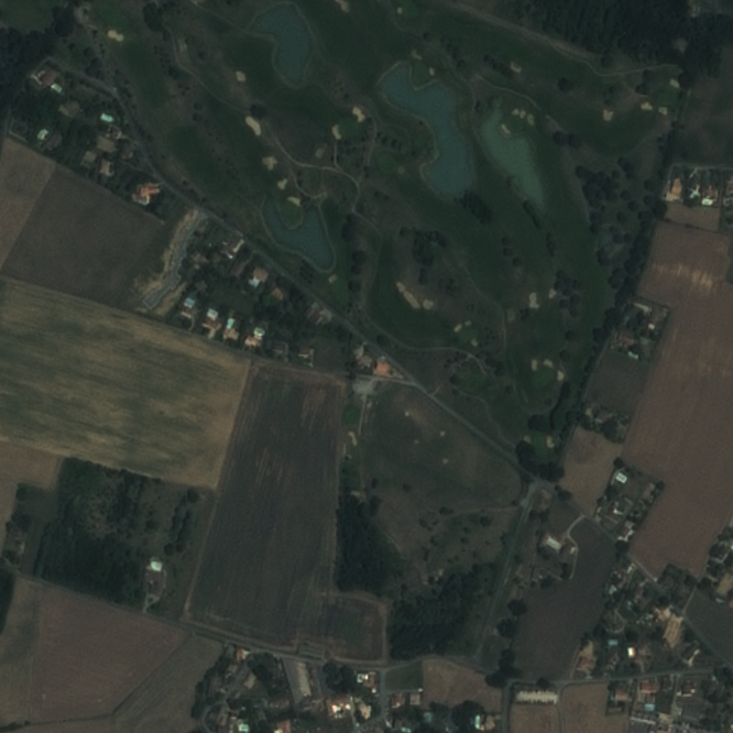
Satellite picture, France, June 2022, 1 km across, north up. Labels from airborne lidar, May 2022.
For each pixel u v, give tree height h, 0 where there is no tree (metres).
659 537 0
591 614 0
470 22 0
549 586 9
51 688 0
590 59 0
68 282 0
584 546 0
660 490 9
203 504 0
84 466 6
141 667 0
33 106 11
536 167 0
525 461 17
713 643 0
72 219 0
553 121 0
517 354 0
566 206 0
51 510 0
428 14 0
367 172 7
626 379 0
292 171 0
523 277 0
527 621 0
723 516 0
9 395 0
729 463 0
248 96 0
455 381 10
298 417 0
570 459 0
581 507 0
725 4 0
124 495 11
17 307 0
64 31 17
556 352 0
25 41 20
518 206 0
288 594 0
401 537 0
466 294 0
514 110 0
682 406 0
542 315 0
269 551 0
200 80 0
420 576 0
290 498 0
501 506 0
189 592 0
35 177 0
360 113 0
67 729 0
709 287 0
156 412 0
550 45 0
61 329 0
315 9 0
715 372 0
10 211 0
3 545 0
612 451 0
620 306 11
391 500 0
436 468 0
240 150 0
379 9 0
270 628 0
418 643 21
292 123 0
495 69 11
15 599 0
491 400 0
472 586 21
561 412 15
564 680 0
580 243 0
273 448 0
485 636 0
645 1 30
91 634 0
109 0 0
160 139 0
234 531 0
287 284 15
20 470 0
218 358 0
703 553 0
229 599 0
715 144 0
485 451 0
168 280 0
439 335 0
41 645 0
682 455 0
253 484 0
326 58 0
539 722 0
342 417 0
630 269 16
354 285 13
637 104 0
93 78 13
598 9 8
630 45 12
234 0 18
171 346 0
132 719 0
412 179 0
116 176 7
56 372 0
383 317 0
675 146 10
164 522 0
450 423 0
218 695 8
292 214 0
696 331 0
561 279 10
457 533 0
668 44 11
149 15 11
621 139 0
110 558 15
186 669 0
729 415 0
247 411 0
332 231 0
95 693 0
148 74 0
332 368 0
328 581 0
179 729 0
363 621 0
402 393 0
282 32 0
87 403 0
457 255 0
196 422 0
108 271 0
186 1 0
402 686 0
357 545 25
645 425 0
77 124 10
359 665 0
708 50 8
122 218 0
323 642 0
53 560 14
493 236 0
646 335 9
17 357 0
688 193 8
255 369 0
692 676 0
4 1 0
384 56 0
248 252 14
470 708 15
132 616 0
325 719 0
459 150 0
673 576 6
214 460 0
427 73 0
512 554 0
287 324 8
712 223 0
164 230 0
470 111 0
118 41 0
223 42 0
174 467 0
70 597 0
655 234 0
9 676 0
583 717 0
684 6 10
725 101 0
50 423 0
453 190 0
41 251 0
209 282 8
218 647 0
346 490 8
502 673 12
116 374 0
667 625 0
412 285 0
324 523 0
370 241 0
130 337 0
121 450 0
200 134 0
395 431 0
